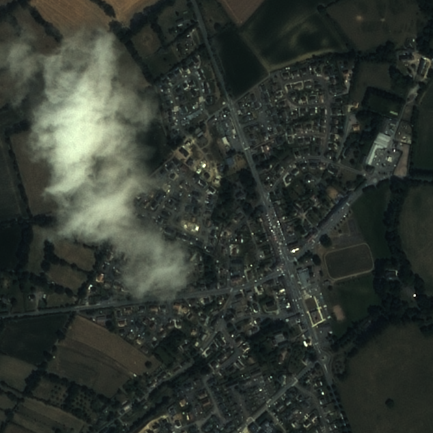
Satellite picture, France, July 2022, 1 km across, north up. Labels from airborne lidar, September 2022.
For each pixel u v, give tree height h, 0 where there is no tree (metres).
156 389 7
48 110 0
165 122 0
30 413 0
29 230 21
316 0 0
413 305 0
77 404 7
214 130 0
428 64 0
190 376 6
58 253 0
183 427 0
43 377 17
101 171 0
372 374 0
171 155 0
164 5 19
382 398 0
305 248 0
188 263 0
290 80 0
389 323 26
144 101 0
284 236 0
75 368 0
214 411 0
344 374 13
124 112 0
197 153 0
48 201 0
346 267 0
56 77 0
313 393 0
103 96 17
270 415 0
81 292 18
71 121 0
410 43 0
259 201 0
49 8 0
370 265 0
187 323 7
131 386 11
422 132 0
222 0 0
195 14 6
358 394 0
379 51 16
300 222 6
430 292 0
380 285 32
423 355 0
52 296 0
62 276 0
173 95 0
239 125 0
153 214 0
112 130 0
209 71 0
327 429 0
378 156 0
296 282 0
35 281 19
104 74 0
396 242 20
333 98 0
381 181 8
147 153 0
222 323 0
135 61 11
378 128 15
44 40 0
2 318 11
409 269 24
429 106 0
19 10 0
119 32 30
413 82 20
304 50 0
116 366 0
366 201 0
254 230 0
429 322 10
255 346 8
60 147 0
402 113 0
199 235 0
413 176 24
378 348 0
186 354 6
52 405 7
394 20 0
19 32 15
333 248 0
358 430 0
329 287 9
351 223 0
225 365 0
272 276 0
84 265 0
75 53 18
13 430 0
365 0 0
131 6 0
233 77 0
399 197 13
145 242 0
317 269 0
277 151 9
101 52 0
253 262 0
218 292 0
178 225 0
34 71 0
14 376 0
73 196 0
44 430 0
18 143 0
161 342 8
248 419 0
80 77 0
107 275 0
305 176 0
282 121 9
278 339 0
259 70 0
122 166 0
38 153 0
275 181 0
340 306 0
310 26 0
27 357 0
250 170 8
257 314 0
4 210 0
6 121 0
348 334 12
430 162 0
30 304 0
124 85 0
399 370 0
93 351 0
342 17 0
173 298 0
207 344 0
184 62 10
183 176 0
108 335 0
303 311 0
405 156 0
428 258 0
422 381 0
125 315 0
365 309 0
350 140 9
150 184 0
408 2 0
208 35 7
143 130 8
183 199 0
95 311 9
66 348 0
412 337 0
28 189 0
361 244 0
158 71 0
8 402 0
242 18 0
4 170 0
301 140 0
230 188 25
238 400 0
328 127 0
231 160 0
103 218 7
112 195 0
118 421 7
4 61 0
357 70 12
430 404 0
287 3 0
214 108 0
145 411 0
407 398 0
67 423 0
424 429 0
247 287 0
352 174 0
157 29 18
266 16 0
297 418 0
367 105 14
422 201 0
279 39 0
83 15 0
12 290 0
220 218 9
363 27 0
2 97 0
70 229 0
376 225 0
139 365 0
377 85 0
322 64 0
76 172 0
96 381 0
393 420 0
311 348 15
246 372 0
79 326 0
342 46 0
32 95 18
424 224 0
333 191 0
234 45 0
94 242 0
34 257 0
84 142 0
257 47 0
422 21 0
